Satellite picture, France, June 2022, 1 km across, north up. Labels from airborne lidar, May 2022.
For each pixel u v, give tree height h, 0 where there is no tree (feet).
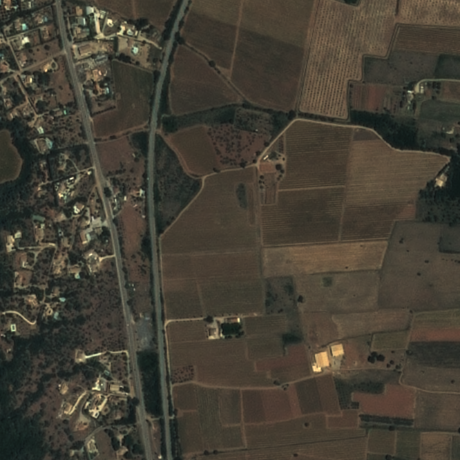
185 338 0
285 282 0
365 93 0
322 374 0
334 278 0
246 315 0
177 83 0
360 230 0
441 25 0
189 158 0
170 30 30
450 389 0
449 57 0
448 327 0
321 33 0
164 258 0
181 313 0
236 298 0
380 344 0
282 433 0
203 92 0
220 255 0
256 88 0
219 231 0
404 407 0
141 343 0
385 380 0
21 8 28
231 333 40
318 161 0
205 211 0
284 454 0
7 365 27
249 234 0
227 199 0
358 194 0
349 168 0
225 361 0
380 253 0
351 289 0
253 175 0
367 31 0
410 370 0
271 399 0
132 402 36
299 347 0
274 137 0
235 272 0
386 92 0
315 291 0
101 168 0
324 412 0
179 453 22
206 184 0
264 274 0
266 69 0
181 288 0
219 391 0
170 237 0
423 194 26
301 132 0
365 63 0
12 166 0
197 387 0
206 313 0
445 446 0
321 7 0
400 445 0
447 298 0
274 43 0
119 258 0
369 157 0
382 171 0
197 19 0
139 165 0
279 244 0
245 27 0
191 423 0
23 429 18
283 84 0
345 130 0
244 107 21
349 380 0
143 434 0
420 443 0
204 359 0
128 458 43
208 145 0
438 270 0
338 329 0
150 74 0
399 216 0
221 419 0
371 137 0
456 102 0
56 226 17
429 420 0
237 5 0
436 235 0
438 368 0
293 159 0
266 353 0
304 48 0
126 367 20
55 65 0
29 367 40
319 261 0
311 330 0
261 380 0
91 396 18
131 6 0
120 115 0
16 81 27
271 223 0
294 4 0
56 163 20
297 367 0
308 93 0
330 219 0
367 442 0
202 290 0
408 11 0
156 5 0
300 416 0
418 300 0
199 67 0
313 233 0
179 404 0
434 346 0
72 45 0
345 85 0
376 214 0
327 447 0
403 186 0
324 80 0
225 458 0
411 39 0
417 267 0
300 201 0
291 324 0
